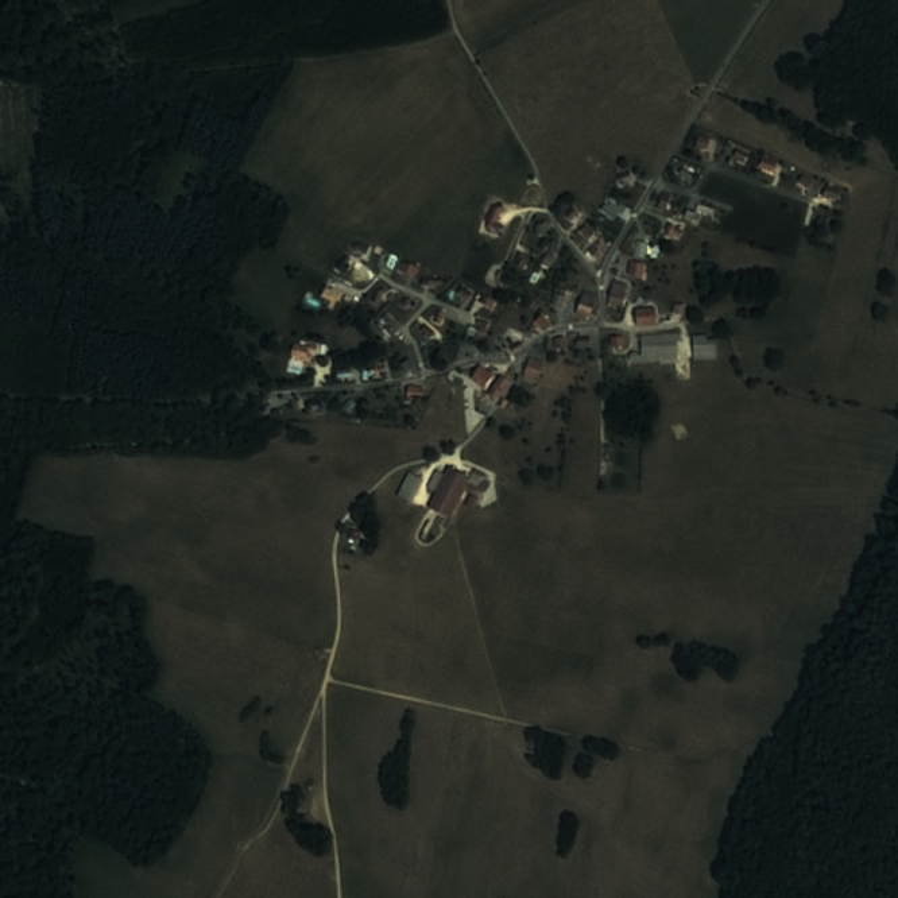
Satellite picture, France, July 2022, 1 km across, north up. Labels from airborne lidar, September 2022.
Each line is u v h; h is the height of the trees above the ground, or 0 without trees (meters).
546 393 0
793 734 14
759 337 0
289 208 16
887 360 0
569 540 0
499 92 0
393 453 0
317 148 0
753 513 0
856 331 0
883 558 22
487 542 0
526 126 0
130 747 24
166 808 22
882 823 19
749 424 0
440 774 0
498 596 0
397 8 9
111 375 19
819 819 19
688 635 0
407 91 0
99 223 26
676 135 0
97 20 16
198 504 0
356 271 0
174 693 0
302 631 0
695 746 0
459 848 0
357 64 0
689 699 0
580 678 0
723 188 0
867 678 16
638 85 0
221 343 21
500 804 0
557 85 0
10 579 25
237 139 26
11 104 0
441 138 0
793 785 17
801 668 0
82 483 0
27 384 11
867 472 0
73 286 22
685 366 0
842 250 0
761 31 0
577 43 0
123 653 27
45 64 22
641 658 0
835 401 6
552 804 0
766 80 0
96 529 0
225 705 0
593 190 0
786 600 0
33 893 16
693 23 0
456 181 0
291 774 0
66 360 12
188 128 29
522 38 0
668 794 0
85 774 26
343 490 0
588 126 0
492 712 0
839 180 0
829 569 0
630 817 0
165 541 0
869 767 21
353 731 0
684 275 0
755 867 21
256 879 0
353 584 0
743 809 19
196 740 18
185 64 7
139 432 16
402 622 0
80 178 25
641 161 0
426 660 0
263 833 0
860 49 15
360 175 0
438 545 0
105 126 26
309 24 6
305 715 0
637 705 0
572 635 0
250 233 27
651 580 0
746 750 0
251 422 15
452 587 0
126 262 25
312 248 0
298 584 0
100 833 22
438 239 0
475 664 0
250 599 0
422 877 0
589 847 0
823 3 0
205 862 0
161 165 21
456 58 0
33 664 14
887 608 23
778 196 0
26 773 24
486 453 0
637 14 0
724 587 0
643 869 0
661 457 0
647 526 0
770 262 0
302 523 0
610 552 0
